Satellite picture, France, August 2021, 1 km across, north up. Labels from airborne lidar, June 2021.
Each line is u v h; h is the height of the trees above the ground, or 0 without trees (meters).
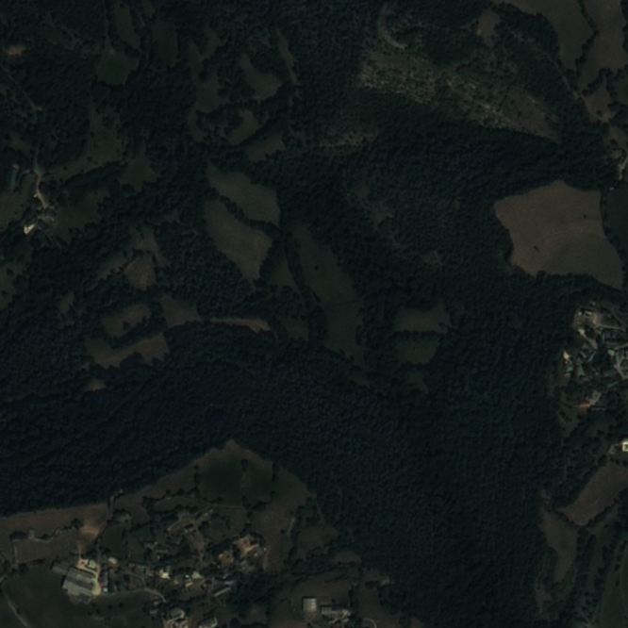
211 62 10
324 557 8
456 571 25
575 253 0
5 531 0
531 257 0
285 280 0
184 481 0
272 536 0
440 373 18
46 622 0
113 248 12
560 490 7
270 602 14
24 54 12
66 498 16
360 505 7
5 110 20
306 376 17
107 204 16
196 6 17
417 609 12
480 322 11
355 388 15
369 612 0
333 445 13
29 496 24
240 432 12
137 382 14
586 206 0
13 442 20
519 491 8
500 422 9
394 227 10
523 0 0
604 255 0
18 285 17
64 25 12
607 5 0
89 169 0
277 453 16
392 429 13
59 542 0
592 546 11
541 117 0
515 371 16
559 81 9
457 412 8
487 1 10
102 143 0
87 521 0
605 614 0
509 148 15
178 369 10
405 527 13
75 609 0
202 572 6
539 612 8
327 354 24
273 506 0
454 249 10
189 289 12
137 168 0
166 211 18
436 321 0
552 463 9
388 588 10
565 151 8
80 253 22
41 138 17
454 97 6
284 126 16
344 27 8
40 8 16
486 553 12
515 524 11
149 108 14
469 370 11
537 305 12
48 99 12
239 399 12
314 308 11
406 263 8
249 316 13
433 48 10
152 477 17
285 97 17
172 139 18
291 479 0
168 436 18
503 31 8
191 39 14
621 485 0
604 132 12
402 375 17
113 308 13
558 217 0
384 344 26
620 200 0
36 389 14
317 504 6
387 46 6
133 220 17
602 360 10
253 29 9
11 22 12
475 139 12
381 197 8
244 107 9
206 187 17
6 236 10
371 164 13
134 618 0
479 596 26
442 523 15
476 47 8
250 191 0
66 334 12
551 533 0
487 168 14
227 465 0
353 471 9
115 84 0
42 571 0
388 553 6
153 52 13
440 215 7
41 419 22
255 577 8
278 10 11
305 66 10
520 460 16
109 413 12
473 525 15
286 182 17
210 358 10
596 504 0
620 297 14
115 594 0
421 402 19
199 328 12
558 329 9
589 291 15
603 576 14
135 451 16
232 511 0
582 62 13
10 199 0
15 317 16
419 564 11
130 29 0
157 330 17
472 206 12
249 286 11
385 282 28
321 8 6
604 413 9
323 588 0
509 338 16
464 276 12
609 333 0
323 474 10
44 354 18
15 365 15
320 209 23
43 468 11
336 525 12
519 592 11
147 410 17
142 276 0
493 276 13
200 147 17
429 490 16
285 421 9
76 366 15
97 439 15
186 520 0
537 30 10
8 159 15
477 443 15
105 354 0
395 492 8
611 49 0
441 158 9
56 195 10
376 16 8
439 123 9
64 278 24
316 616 0
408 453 15
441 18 9
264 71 12
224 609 0
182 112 19
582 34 0
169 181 16
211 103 0
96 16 18
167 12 17
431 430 24
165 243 17
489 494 9
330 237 10
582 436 10
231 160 21
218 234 0
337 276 0
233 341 15
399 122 15
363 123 10
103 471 14
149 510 7
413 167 7
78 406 17
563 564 0
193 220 12
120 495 12
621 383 8
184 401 16
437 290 17
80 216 0
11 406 0
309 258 0
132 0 14
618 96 8
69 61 10
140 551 0
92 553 6
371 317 12
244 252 0
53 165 17
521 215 0
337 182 14
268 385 10
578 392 10
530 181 7
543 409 16
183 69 20
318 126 7
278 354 18
